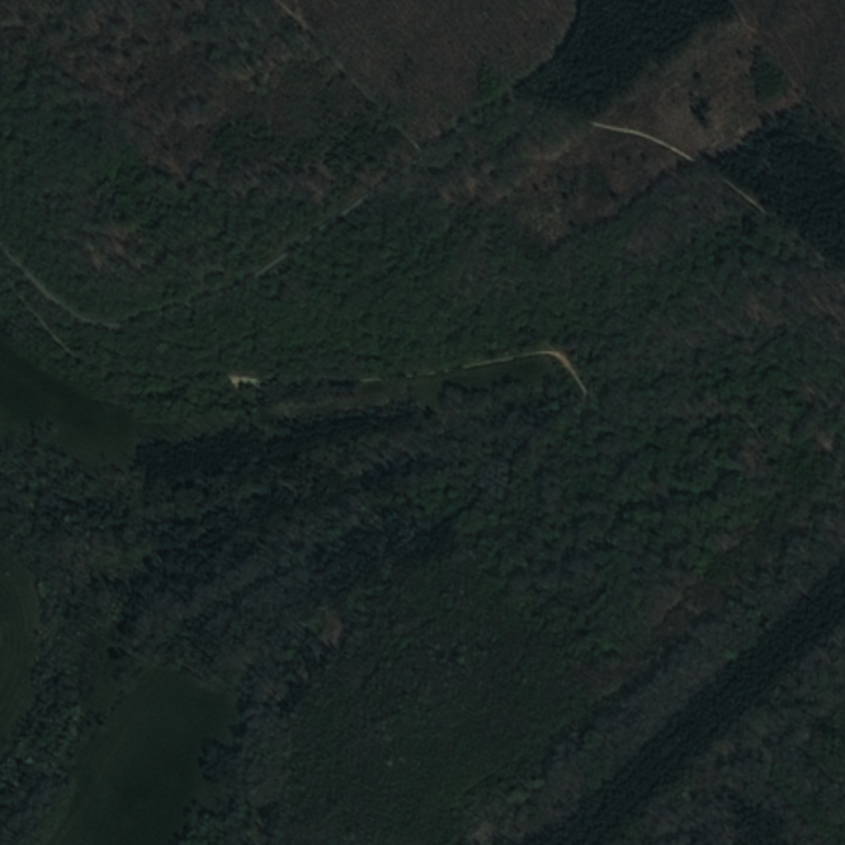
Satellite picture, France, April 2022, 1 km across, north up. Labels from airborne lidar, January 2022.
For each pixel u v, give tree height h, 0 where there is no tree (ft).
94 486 69
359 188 78
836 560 86
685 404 82
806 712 68
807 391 91
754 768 97
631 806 74
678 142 0
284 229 84
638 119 0
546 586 92
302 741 41
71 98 92
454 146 84
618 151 0
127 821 0
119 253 91
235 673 93
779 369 86
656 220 84
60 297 69
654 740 77
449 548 51
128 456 0
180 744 0
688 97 0
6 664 0
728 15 84
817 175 75
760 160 73
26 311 55
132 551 98
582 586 93
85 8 78
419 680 48
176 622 98
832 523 101
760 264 86
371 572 88
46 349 71
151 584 54
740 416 96
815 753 45
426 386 0
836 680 91
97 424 0
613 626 92
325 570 84
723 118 0
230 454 66
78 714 57
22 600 0
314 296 74
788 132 61
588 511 91
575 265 79
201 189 85
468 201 21
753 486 76
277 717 93
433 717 37
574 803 62
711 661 94
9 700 0
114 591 105
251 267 75
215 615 82
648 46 77
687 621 30
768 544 29
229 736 0
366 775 31
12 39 56
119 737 0
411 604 44
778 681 79
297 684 95
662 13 77
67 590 84
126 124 86
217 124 87
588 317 76
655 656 26
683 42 67
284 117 33
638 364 95
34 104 75
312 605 80
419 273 81
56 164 80
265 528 55
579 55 74
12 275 67
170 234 85
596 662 36
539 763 20
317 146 54
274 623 85
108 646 0
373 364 69
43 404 0
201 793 0
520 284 79
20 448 62
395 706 51
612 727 88
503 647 46
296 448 91
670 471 75
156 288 78
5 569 0
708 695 66
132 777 0
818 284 94
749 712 62
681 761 78
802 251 79
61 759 31
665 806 96
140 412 82
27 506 69
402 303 81
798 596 92
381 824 33
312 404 81
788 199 74
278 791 98
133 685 69
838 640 93
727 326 96
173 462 68
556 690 40
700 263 69
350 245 85
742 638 81
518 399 81
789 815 86
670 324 83
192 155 42
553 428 74
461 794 23
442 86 64
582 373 52
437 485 97
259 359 82
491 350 56
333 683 47
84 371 71
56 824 64
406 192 87
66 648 50
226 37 97
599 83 82
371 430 82
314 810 45
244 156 38
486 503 88
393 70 68
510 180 81
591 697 40
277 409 79
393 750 28
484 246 87
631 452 85
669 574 63
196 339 70
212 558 28
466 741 33
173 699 0
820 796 94
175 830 0
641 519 58
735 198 73
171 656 80
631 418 84
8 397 0
